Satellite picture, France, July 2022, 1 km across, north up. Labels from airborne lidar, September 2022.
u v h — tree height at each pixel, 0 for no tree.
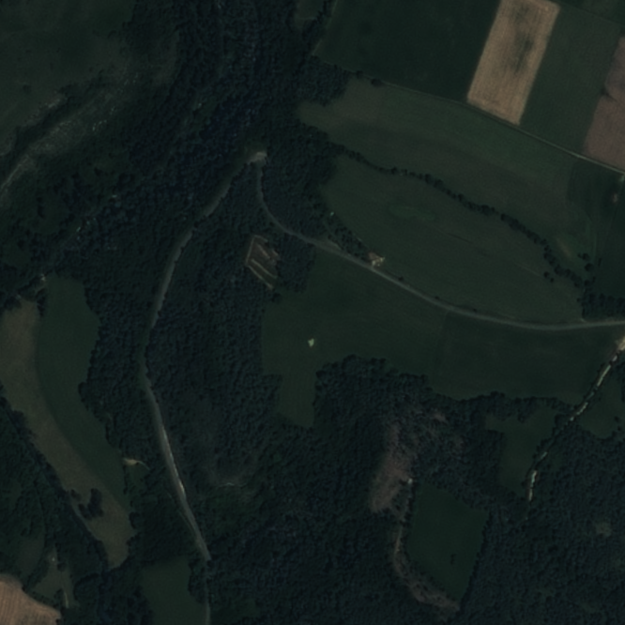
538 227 0
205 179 12
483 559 19
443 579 0
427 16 0
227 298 20
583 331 0
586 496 17
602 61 0
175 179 23
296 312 0
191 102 28
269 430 20
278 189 19
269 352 0
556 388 0
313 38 20
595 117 0
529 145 0
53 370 0
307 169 22
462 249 0
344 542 10
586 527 10
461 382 0
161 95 16
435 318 0
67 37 0
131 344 16
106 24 0
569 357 0
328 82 14
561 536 18
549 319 0
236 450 18
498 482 16
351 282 0
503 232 0
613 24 0
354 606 24
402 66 0
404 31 0
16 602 0
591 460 18
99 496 24
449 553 0
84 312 0
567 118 0
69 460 0
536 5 0
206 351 13
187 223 9
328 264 0
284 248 20
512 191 0
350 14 0
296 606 24
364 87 0
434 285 0
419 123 0
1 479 15
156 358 20
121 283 7
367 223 0
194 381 6
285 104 16
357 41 0
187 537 17
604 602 17
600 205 0
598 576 13
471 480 27
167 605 0
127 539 0
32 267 7
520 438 0
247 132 15
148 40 12
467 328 0
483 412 19
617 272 0
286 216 21
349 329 0
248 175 16
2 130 0
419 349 0
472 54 0
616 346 0
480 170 0
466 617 20
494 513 20
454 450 21
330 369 10
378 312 0
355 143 0
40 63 0
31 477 12
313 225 15
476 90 0
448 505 0
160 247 9
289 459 24
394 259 0
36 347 0
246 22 12
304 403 0
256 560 22
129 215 20
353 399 22
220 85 23
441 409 25
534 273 0
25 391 0
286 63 14
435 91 0
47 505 19
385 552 19
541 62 0
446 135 0
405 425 26
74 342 0
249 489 11
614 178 0
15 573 7
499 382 0
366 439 20
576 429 13
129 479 7
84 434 0
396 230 0
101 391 16
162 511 10
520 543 15
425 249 0
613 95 0
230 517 11
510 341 0
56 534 14
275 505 20
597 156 0
